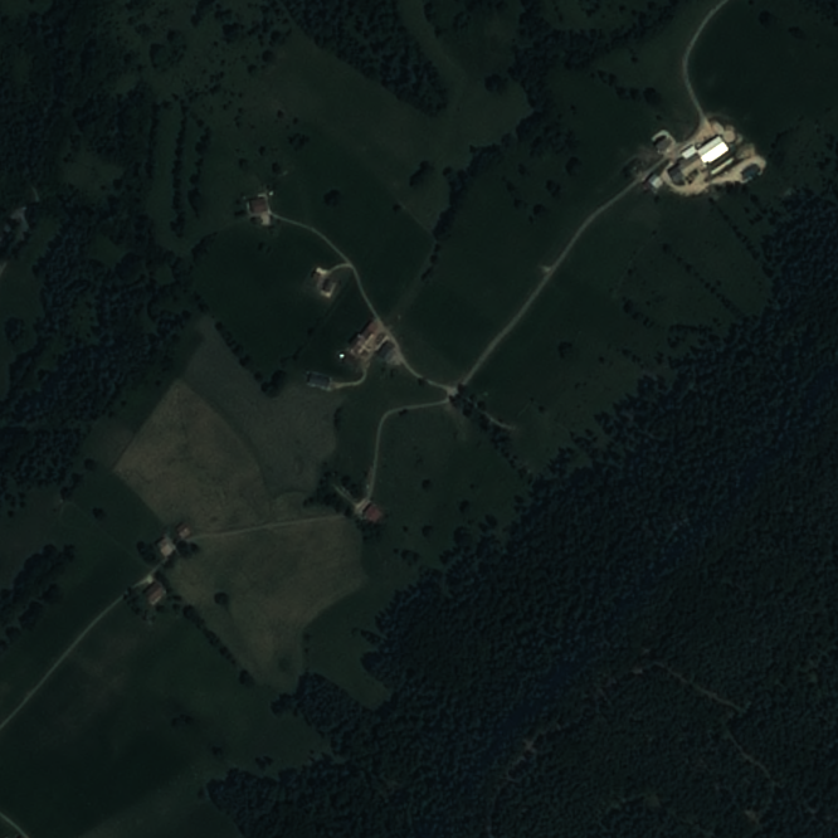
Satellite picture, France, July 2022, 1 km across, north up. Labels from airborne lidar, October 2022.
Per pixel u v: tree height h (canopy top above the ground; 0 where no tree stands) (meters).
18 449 26
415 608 20
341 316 0
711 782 28
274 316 0
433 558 0
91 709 0
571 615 25
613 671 19
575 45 22
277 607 0
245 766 0
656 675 20
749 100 0
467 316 0
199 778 0
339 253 0
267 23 9
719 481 32
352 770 8
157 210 0
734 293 0
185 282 19
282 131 0
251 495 0
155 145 11
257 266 0
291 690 0
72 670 0
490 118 0
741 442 23
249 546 0
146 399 0
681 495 28
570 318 0
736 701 24
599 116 0
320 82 0
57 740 0
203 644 0
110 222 28
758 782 24
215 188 0
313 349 0
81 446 7
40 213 17
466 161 0
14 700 0
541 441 0
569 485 15
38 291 0
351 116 0
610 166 0
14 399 18
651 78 0
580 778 20
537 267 0
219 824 0
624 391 0
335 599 0
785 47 0
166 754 0
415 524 0
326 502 9
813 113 0
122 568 0
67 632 0
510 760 20
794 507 15
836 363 21
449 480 0
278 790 24
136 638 0
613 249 0
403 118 0
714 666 19
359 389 0
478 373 0
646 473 29
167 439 0
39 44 7
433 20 16
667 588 19
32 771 0
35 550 0
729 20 0
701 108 0
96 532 0
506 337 0
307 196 0
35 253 0
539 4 20
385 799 25
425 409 0
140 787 0
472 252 0
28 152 11
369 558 0
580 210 0
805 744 24
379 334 0
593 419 0
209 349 0
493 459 0
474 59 0
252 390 0
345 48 7
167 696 0
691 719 19
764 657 26
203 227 0
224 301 0
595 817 22
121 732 0
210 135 11
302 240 0
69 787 0
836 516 22
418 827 12
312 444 0
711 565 16
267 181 0
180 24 0
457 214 15
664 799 25
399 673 26
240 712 0
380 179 0
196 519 0
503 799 20
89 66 25
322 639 0
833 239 14
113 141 7
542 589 21
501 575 22
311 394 0
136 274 20
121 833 0
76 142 10
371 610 0
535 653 22
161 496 0
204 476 0
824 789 21
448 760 26
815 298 26
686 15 0
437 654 30
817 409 16
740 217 0
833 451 19
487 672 28
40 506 0
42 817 0
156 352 20
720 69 0
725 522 19
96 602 0
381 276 0
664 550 24
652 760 28
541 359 0
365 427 0
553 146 10
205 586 0
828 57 0
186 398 0
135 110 13
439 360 0
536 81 21
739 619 20
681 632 20
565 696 21
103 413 15
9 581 0
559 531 22
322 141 0
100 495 0
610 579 23
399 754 26
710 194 0
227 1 0
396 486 0
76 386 25
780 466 17
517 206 10
